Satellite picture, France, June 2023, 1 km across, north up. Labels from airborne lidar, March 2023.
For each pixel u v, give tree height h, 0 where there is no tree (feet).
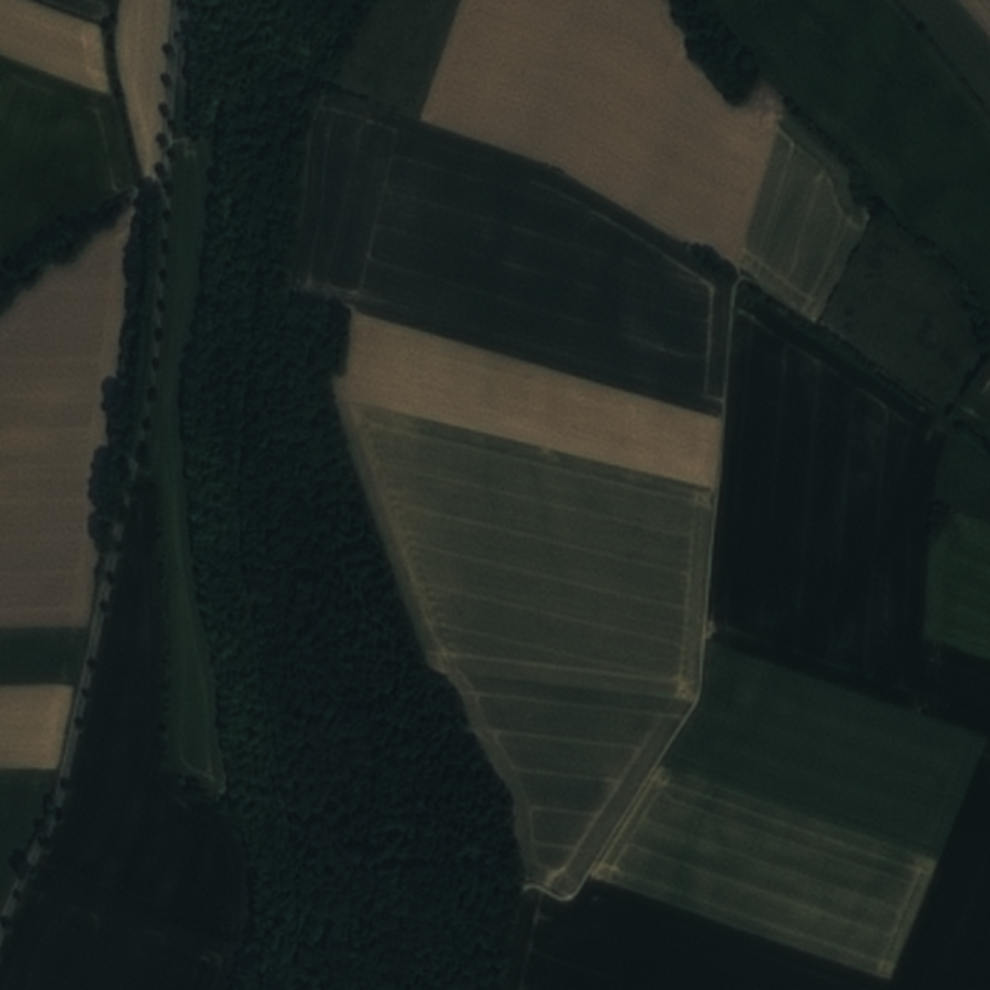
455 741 61
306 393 87
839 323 0
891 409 0
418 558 0
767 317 0
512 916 57
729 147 0
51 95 0
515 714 0
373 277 0
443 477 0
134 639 0
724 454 0
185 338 0
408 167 0
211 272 65
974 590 0
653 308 0
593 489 0
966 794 0
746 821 0
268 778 39
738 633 0
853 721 0
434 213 0
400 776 64
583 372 0
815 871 0
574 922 0
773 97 0
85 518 0
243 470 44
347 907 74
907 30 0
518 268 0
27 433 0
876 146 0
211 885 0
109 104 0
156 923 0
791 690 0
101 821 0
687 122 0
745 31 0
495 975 63
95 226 46
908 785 0
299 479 54
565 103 0
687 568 0
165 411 0
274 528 68
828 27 0
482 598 0
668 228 0
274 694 65
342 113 0
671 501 0
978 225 0
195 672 0
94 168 0
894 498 0
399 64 0
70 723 0
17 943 0
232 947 0
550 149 0
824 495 0
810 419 0
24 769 0
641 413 0
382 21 0
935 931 0
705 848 0
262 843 57
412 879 76
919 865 0
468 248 0
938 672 0
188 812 0
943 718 0
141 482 0
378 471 0
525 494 0
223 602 53
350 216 0
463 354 0
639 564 0
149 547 0
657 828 0
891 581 0
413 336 0
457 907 76
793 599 0
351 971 61
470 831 65
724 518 0
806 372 0
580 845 0
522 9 0
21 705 0
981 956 0
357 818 38
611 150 0
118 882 0
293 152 55
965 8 0
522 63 0
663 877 0
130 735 0
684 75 0
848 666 0
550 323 0
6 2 0
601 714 0
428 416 0
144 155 0
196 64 60
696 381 0
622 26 0
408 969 71
